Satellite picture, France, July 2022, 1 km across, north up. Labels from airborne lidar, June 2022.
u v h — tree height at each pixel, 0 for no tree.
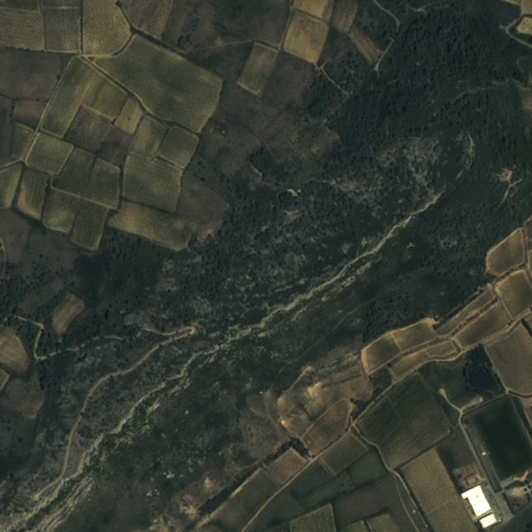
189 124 0
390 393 0
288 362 0
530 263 0
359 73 8
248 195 7
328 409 0
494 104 14
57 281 0
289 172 10
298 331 0
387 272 0
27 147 0
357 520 0
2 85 0
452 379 0
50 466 0
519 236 0
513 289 0
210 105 0
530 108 0
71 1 0
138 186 0
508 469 0
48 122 0
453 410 0
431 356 0
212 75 0
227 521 0
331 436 0
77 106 0
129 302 12
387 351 0
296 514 0
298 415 0
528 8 0
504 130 10
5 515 0
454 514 0
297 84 0
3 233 0
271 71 0
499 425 0
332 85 15
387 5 6
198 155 0
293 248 6
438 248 12
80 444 0
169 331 0
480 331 0
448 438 0
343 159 10
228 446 0
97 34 0
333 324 0
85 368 0
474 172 11
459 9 10
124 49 0
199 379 0
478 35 6
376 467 0
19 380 0
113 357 0
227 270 9
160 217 0
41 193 0
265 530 0
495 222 10
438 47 14
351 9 0
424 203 0
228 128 0
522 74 10
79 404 0
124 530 0
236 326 0
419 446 0
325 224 6
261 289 0
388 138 6
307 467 0
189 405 0
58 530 0
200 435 0
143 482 0
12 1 0
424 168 0
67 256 0
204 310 0
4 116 0
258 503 0
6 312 12
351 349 0
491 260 0
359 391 0
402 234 0
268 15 0
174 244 0
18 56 0
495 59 9
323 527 0
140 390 0
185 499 0
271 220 6
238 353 0
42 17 0
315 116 11
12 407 0
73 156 0
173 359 0
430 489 0
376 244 0
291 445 8
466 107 12
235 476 0
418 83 8
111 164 0
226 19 0
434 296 0
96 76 0
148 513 0
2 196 0
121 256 13
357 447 0
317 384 0
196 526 0
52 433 0
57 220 0
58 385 8
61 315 0
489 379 7
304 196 6
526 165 15
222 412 0
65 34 0
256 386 0
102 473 0
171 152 0
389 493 0
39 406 0
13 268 8
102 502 0
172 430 0
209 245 6
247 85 0
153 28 0
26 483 0
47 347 12
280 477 0
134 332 11
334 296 0
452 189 11
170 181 0
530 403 0
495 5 7
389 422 0
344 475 0
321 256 0
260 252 10
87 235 0
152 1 0
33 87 0
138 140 0
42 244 0
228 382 0
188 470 0
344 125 11
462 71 15
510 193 9
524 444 0
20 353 0
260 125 0
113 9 0
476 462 0
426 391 0
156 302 0
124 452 0
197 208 0
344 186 0
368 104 6
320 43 0
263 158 13
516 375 0
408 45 15
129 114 0
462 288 12
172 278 0
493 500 0
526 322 14
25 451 0
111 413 0
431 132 8
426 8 7
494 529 0
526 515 0
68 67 0
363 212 0
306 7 0
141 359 0
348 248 0
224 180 8
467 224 10
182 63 0
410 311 14
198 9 0
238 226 9
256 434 0
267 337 0
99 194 0
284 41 0
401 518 0
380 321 13
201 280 8
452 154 0
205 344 0
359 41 0
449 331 0
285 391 0
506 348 0
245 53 0
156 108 0
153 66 0
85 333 9
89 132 0
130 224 0
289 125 0
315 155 0
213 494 0
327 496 0
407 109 12
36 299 0
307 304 0
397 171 10
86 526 0
